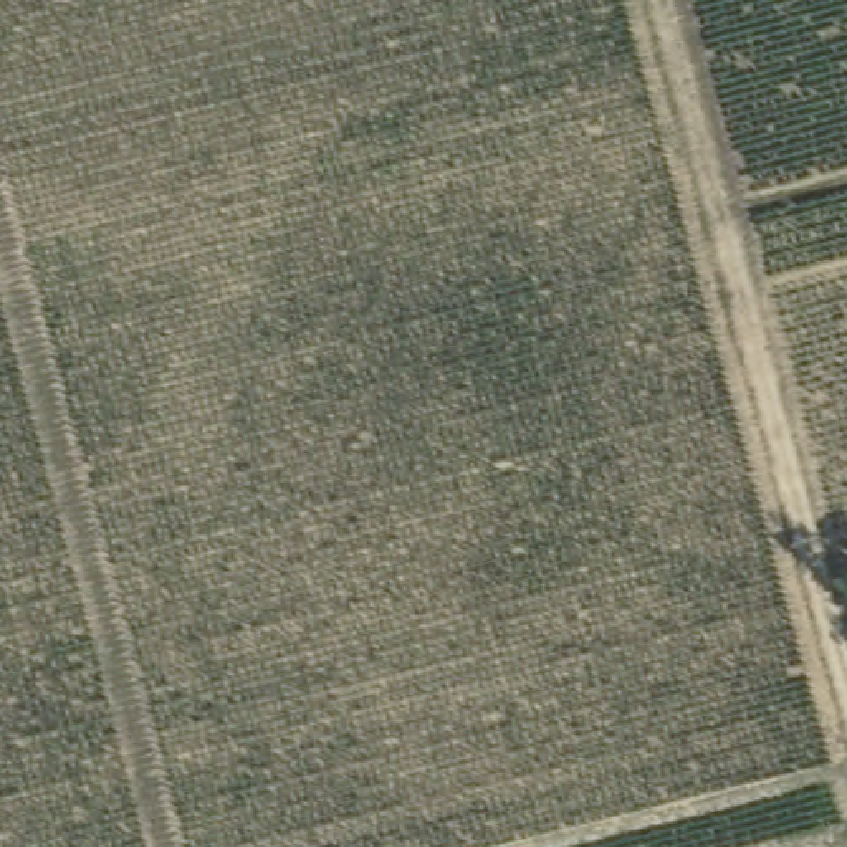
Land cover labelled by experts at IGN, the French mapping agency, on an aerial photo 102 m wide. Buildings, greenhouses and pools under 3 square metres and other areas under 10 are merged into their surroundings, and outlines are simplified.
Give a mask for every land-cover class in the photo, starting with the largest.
<instances>
[{"label":"vineyard","instance_id":"1","mask_svg":"<svg viewBox=\"0 0 847 847\"><path fill-rule=\"evenodd\" d=\"M784 549L781 533L764 529L748 443L725 380L718 341L705 311L695 255L685 235L675 179L665 162V139L629 26L625 0H0V847H781V837L817 834L837 824L840 817L834 791L827 784H807L784 794L774 781V774L827 764L824 728L817 718V705L811 698L797 632L774 566V553ZM682 17V36L698 73L701 106L718 146L721 182L728 189L731 215L738 222H751L761 238L764 268L751 275L758 298L774 301L778 324L791 347L804 427L807 437L817 443L814 457L824 506L827 513H847V0H675Z\"/></svg>","mask_w":847,"mask_h":847},{"label":"herbaceous vegetation","instance_id":"2","mask_svg":"<svg viewBox=\"0 0 847 847\"><path fill-rule=\"evenodd\" d=\"M629 26L665 139V162L675 179L685 235L695 255L705 311L718 341L725 380L748 443L764 529L781 533L791 526V516L784 510L781 486L774 476V450L764 430L748 357L738 337L731 291L715 242L718 225L738 222L731 215L728 189L721 182L718 146L701 106L698 73L682 36V17L675 0H625ZM751 275L764 268L761 238L751 222H738ZM764 347L771 354L781 407L791 424V443L797 453L811 513L817 516V529L824 539V572L817 579L807 569H801L794 556L784 549L774 553V566L797 632L811 698L817 705V718L824 728L827 764L774 774V781L784 794L807 784H827L834 791L840 817L837 824L817 834L781 837V847H847V718L827 655L847 642V513H827L824 506L814 457L817 443L807 437L804 427L791 347L778 324L774 301L758 298Z\"/></svg>","mask_w":847,"mask_h":847},{"label":"pervious surface","instance_id":"3","mask_svg":"<svg viewBox=\"0 0 847 847\"><path fill-rule=\"evenodd\" d=\"M715 242L731 291L738 337L748 357L764 430L774 450V476L781 486L784 510L791 516V526L781 533L784 549L794 556L801 569H807L817 579L824 572V539L817 529V516L811 513L797 453L791 443V424L781 407L771 354L764 347L758 298L751 275L738 222L718 225ZM847 718V642L827 655Z\"/></svg>","mask_w":847,"mask_h":847}]
</instances>
